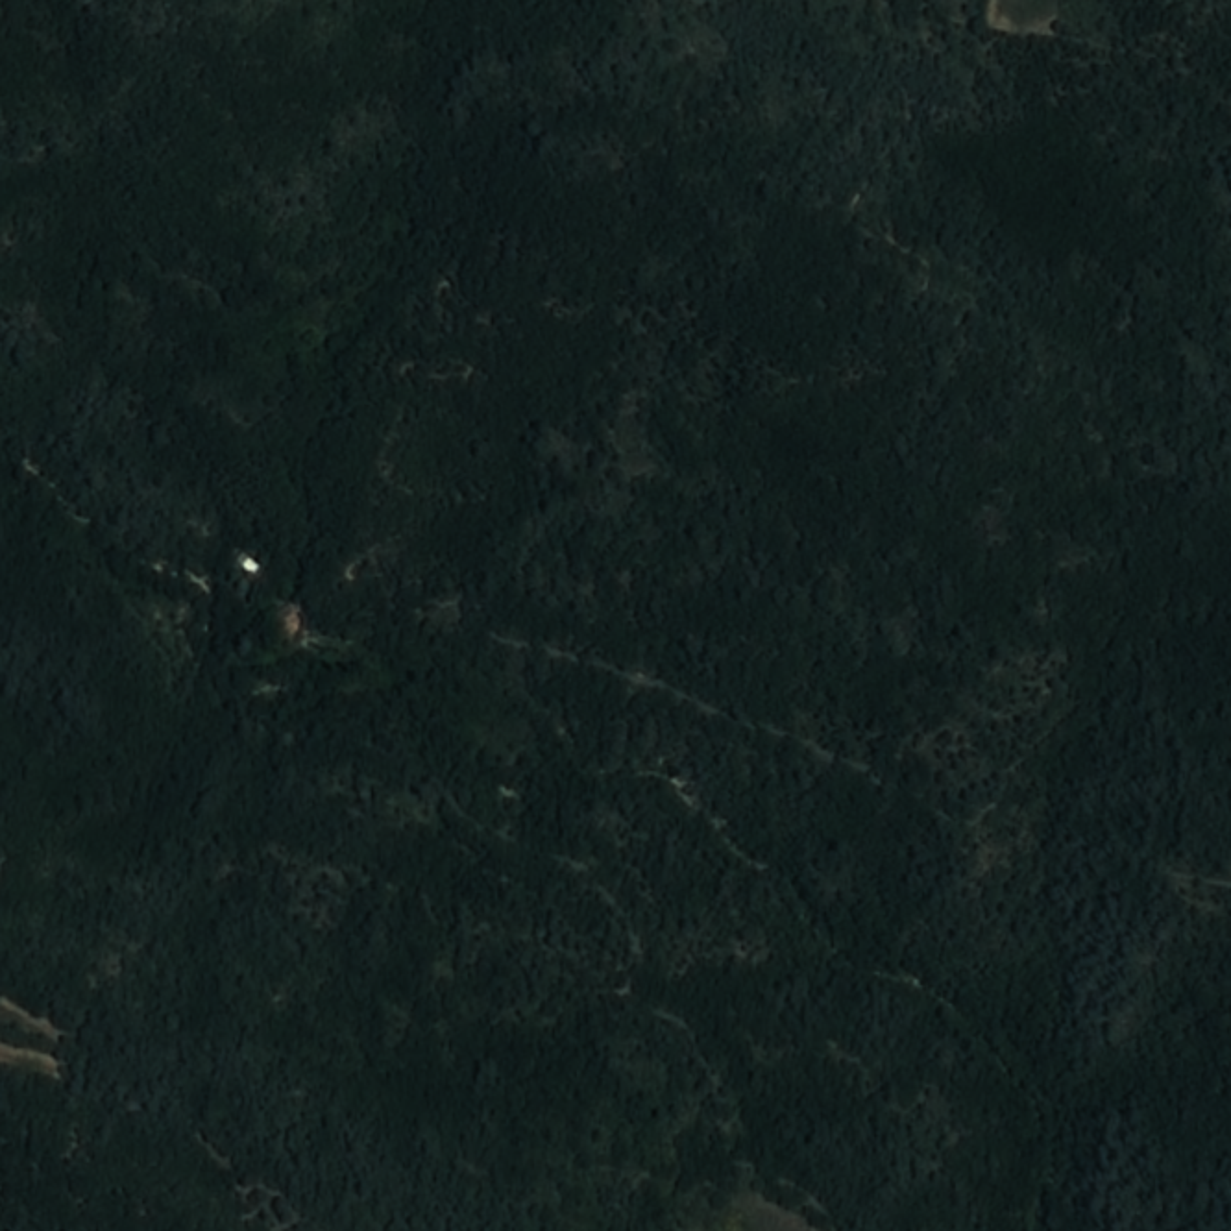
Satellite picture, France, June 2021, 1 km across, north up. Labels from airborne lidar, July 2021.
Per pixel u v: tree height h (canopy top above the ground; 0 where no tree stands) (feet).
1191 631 50
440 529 41
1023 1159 60
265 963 33
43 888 24
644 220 43
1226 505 40
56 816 34
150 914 45
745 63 24
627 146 22
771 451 43
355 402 44
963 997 63
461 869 36
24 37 47
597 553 33
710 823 40
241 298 53
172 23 19
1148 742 57
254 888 36
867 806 36
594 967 31
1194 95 35
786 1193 26
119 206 53
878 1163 64
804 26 21
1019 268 52
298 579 28
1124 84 53
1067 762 59
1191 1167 42
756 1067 31
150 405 47
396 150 29
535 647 36
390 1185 50
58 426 44
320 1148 47
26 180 42
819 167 29
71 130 20
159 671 40
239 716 37
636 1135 26
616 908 45
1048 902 49
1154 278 19
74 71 45
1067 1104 52
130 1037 45
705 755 36
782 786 35
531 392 34
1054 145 49
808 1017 73
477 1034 28
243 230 49
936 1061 45
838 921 53
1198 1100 54
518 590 37
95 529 48
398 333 47
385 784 28
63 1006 47
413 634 31
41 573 53
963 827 35
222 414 36
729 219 28
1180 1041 49
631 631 43
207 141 32
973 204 46
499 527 38
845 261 31
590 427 42
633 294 44
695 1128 22
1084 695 55
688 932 69
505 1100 32
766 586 64
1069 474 34
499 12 44
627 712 32
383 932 29
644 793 56
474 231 28
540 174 35
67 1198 45
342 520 49
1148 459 50
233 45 23
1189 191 34
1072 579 40
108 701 39
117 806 31
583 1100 32
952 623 41
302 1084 42
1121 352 26
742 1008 22
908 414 32
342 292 27
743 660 37
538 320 34
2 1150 26
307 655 29
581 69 32
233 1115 31
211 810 29
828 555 44
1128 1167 38
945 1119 20
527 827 44
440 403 34
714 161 28
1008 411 56
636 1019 33
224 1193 31
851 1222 50
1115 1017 78
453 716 24
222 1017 49
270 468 50
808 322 44
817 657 42
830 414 53
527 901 25
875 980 46
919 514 74
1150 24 43
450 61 41
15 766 33
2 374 34
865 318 43
